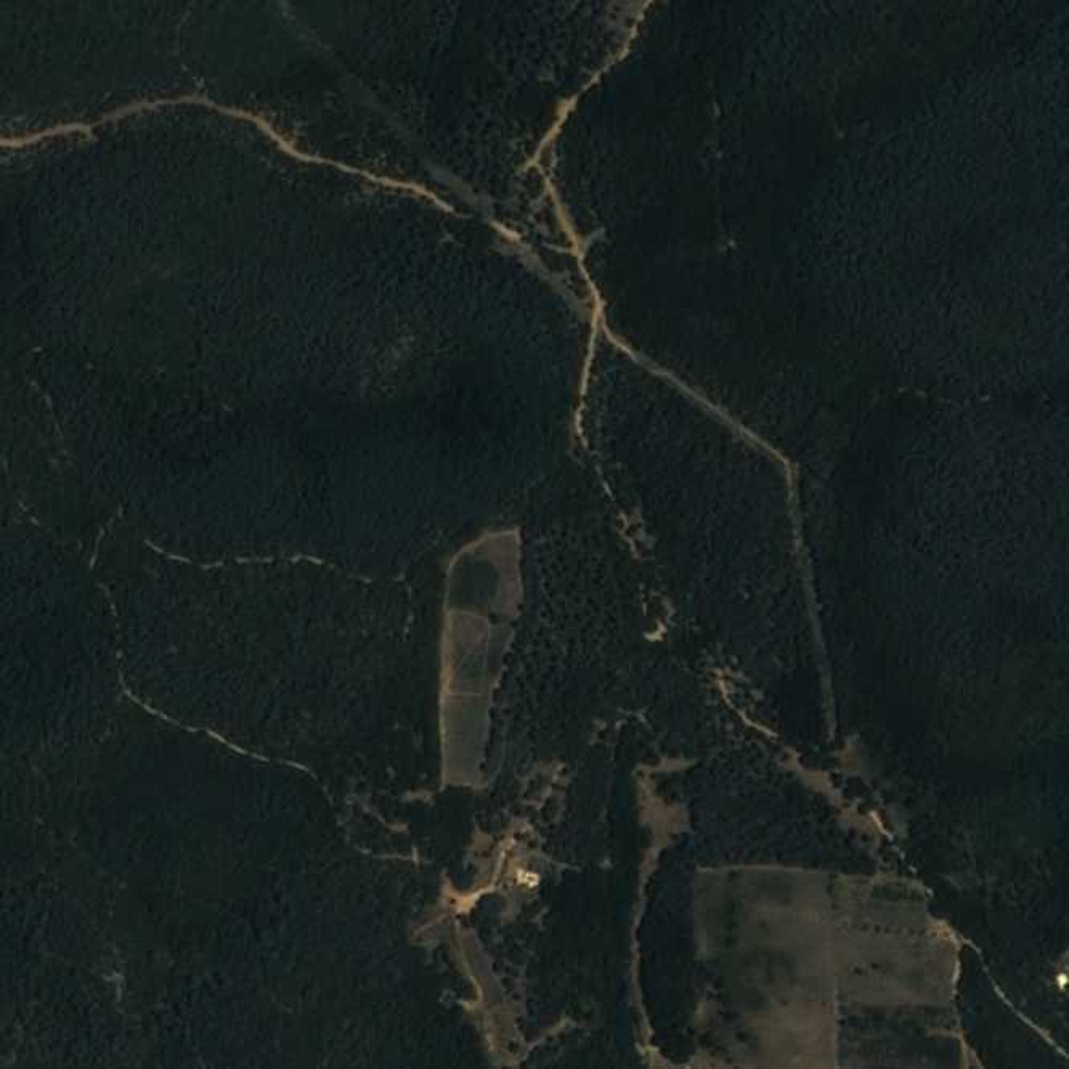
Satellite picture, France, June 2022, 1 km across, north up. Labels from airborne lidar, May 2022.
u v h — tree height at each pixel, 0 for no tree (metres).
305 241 12
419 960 14
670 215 15
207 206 6
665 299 14
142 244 12
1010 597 13
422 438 17
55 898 13
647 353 9
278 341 14
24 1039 7
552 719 12
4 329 10
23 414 8
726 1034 0
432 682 8
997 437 21
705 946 0
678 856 18
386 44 13
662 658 13
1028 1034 9
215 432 15
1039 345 9
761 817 20
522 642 13
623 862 16
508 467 21
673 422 12
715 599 16
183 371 16
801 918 0
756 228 14
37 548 12
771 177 18
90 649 11
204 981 8
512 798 7
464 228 14
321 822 7
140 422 15
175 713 7
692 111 12
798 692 15
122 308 9
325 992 11
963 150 15
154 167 13
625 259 13
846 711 12
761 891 0
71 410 15
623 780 19
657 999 19
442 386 8
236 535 13
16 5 12
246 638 13
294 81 11
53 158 8
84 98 7
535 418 12
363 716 11
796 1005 0
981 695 10
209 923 8
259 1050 5
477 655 0
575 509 12
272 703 7
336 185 9
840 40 7
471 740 0
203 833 6
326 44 8
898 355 9
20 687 11
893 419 14
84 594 9
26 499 7
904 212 15
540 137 13
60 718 11
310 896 8
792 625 19
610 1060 13
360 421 16
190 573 13
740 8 19
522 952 13
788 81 8
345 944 8
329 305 16
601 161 16
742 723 11
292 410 15
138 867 12
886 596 12
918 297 15
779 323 11
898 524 17
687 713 20
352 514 13
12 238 14
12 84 13
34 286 5
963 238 15
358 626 6
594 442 11
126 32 6
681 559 14
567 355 15
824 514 20
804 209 12
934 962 0
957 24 12
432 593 7
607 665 10
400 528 14
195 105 7
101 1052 18
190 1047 6
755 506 17
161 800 9
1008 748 9
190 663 9
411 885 7
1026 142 21
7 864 6
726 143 11
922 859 11
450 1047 11
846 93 10
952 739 14
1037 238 15
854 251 10
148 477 18
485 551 0
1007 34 14
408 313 13
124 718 6
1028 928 10
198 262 6
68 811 9
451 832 13
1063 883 10
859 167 9
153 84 6
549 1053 13
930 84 15
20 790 9
